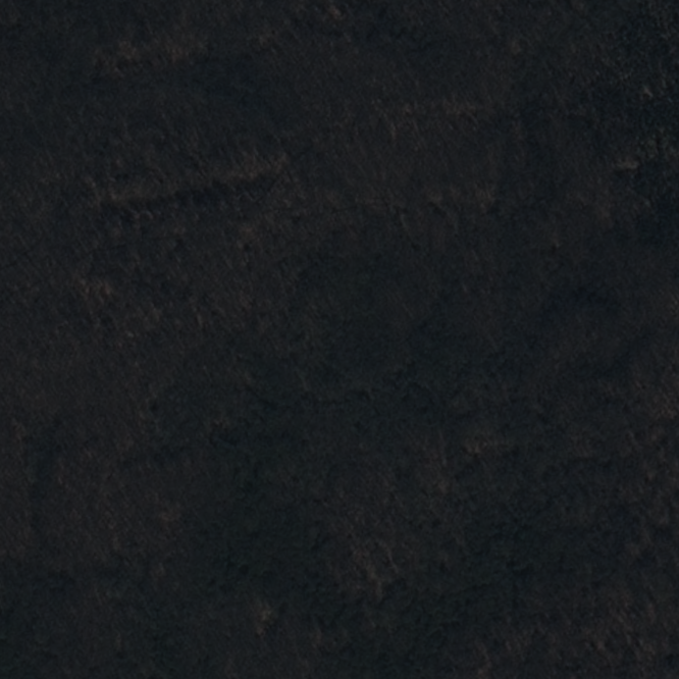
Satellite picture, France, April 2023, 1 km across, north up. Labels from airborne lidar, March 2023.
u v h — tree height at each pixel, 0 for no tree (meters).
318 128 25
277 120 26
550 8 28
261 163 30
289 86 27
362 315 22
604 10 24
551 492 25
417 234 23
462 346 21
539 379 20
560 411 18
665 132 19
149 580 24
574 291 25
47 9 17
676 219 16
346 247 30
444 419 25
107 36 28
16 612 20
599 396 21
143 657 25
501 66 29
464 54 25
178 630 25
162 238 25
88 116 25
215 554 23
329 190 26
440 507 25
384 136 30
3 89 27
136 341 29
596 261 24
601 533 24
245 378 29
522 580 27
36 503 20
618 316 19
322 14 26
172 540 25
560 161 18
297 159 29
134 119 25
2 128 27
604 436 21
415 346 25
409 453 29
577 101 16
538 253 22
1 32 21
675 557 24
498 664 26
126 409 24
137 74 24
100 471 28
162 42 26
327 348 20
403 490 26
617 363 18
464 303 27
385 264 22
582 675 28
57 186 22
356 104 30
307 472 24
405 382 26
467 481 25
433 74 31
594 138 16
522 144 19
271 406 29
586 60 18
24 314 25
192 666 29
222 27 24
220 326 24
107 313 20
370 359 26
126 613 25
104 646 24
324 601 20
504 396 24
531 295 22
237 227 30
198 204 33
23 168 28
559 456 16
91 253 25
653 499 15
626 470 20
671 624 26
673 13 18
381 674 22
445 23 29
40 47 23
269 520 23
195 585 24
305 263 19
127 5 21
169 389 18
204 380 22
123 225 29
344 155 27
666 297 25
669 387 22
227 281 27
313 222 24
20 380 23
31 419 23
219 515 23
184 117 23
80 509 28
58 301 24
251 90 23
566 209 21
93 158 28
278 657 28
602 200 23
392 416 27
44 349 30
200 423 21
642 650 23
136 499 25
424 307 26
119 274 25
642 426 21
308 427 26
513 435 21
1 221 26
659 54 19
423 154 28
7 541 21
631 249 21
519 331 20
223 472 28
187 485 24
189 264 26
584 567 26
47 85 24
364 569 24
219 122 26
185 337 24
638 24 18
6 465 26
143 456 25
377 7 27
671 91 18
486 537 25
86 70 25
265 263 20
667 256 19
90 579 22
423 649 20
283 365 27
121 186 28
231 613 26
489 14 27
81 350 27
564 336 23
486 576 27
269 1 26
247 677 24
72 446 23
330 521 24
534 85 24
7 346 25
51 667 28
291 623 26
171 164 29
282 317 24
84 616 29
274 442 25
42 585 20
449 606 19
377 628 22
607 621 25
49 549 27
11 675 21
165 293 24
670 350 24
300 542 22
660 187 15
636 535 25
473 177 26
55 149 26
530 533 22
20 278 29
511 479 23
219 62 21
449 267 24
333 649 25
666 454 22
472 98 27
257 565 25
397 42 30
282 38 26
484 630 22
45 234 21
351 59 30
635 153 16
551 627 27
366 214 23
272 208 28
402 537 25
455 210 23
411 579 26
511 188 25
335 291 26
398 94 27
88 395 26
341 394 27
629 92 16
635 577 24
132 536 26
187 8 23
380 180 23
